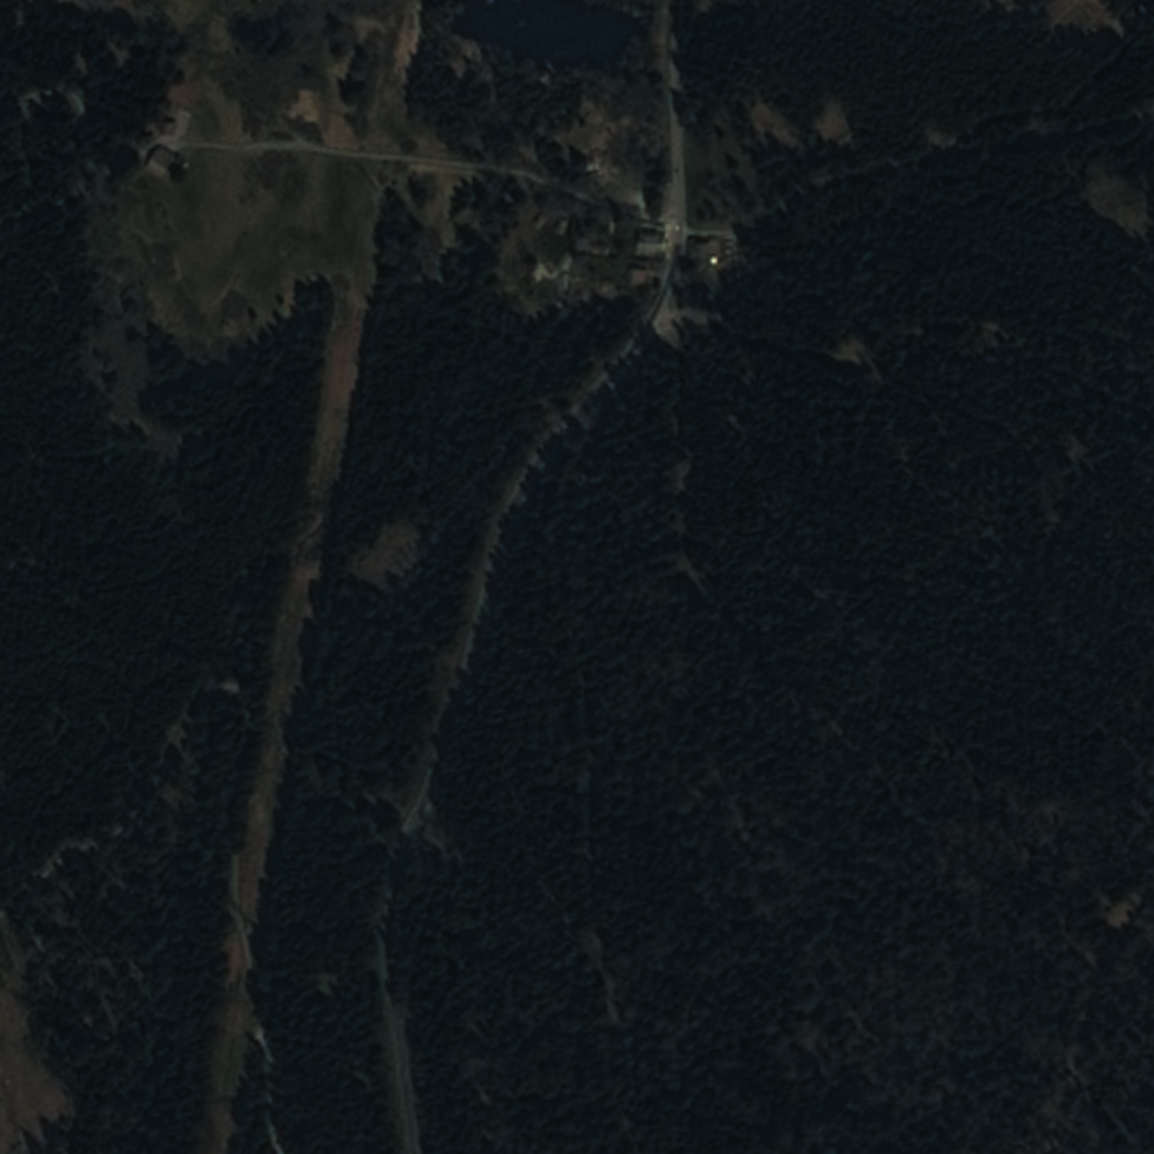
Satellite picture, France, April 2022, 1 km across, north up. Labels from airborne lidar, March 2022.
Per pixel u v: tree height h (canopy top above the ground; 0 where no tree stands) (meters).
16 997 0
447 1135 30
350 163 0
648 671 20
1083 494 12
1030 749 16
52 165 9
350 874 26
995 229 21
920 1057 34
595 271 9
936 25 24
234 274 0
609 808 30
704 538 10
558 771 26
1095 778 20
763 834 36
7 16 16
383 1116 29
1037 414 16
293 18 20
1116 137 21
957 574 8
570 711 15
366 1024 28
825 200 16
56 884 13
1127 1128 14
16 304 13
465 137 18
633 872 28
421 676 29
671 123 0
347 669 35
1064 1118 12
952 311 26
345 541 27
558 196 19
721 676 33
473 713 28
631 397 36
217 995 24
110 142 22
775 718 31
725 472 16
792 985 27
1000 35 26
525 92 19
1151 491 24
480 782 28
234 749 33
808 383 20
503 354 21
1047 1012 20
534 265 16
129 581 17
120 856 14
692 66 14
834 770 16
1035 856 16
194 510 14
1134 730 13
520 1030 34
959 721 15
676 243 0
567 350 23
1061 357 21
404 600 33
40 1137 0
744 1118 23
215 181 0
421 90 23
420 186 7
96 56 29
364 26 0
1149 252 19
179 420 27
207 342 0
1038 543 15
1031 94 25
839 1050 32
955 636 9
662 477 22
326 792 10
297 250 0
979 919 26
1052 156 28
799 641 18
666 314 0
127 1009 24
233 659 21
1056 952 26
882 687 20
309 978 30
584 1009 34
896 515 19
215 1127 0
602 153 0
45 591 18
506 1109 35
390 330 17
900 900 26
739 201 15
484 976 24
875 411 11
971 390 14
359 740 32
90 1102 26
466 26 0
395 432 24
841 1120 33
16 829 20
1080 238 22
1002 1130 31
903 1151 13
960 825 18
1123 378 21
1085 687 15
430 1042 21
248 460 20
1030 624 22
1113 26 0
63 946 31
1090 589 20
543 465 0
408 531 0
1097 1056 30
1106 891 18
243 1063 0
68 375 13
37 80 8
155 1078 38
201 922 29
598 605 30
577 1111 19
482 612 0
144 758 17
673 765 29
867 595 20
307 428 29
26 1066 0
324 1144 29
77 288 16
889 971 34
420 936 30
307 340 27
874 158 21
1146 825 25
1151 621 20
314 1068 27
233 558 17
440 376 17
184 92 0
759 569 10
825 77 27
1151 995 24
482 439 28
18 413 20
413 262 18
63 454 18
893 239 20
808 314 30
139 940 40
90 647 17
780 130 0
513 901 29
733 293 27
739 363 15
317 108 0
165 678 10
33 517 12
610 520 28
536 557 34
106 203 10
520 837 24
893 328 31
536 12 0
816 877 23
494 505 24
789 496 20
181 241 0
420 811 0
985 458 11
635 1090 34
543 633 28
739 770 31
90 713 18
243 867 0
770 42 29
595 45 0
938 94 26
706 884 26
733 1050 28
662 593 25
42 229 21
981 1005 30
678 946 26
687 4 21
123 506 20
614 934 17
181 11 0
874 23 27
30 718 21
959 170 23
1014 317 28
